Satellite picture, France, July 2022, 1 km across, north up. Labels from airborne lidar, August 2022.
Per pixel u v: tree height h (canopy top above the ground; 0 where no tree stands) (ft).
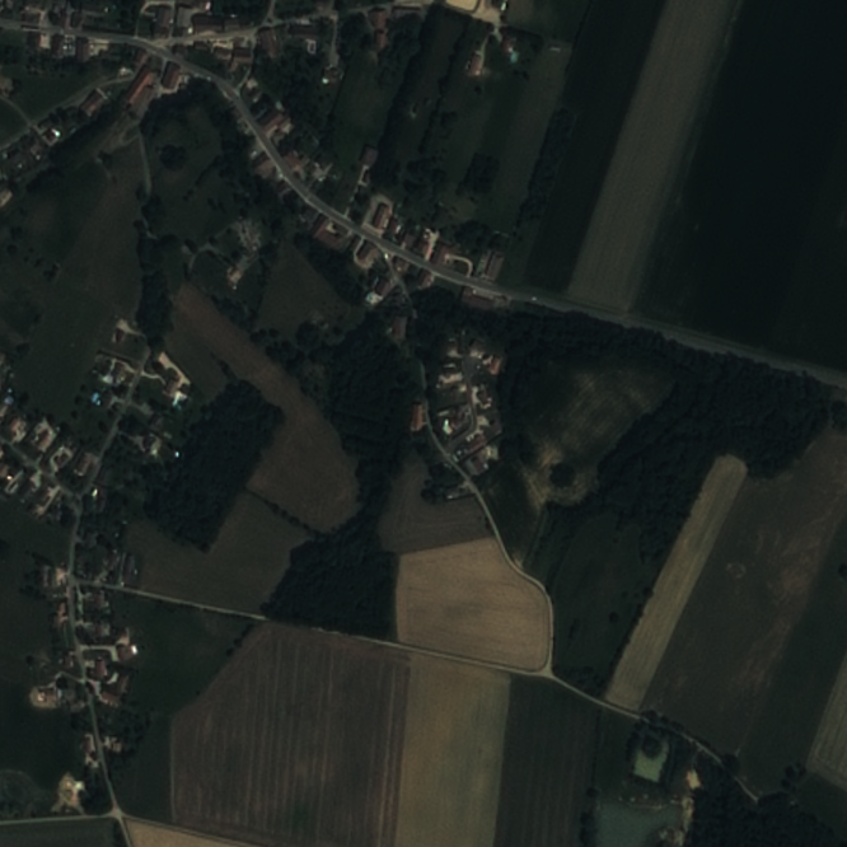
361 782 0
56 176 64
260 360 0
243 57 0
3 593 0
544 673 0
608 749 0
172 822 0
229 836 0
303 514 0
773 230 0
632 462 75
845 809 0
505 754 0
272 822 0
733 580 0
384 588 80
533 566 0
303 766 0
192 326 0
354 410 50
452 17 40
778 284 0
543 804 0
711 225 0
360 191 19
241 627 0
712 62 0
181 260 0
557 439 0
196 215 0
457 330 20
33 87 0
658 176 0
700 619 0
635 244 0
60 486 0
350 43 62
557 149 33
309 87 59
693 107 0
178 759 0
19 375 0
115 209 0
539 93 0
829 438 0
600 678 19
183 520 70
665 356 67
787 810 50
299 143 39
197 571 0
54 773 0
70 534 0
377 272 27
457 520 0
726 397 74
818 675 0
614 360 0
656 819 0
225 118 45
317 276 0
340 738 0
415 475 0
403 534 0
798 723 0
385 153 59
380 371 69
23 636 0
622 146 0
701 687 0
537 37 30
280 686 0
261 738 0
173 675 0
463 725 0
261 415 82
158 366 46
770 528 0
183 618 0
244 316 52
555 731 0
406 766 0
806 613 0
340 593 72
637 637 0
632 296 0
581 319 76
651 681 0
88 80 0
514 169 0
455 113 25
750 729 0
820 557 0
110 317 0
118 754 42
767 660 0
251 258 0
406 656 0
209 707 0
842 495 0
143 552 0
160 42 0
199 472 74
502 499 0
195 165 0
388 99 0
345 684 0
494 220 0
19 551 0
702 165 0
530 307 24
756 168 0
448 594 0
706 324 0
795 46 0
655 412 27
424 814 0
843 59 0
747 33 0
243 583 0
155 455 23
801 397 73
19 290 0
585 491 0
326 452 0
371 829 0
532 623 0
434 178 48
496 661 0
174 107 54
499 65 0
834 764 0
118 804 0
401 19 34
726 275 0
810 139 0
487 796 0
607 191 0
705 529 0
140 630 0
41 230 0
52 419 34
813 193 0
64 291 0
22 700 0
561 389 0
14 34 0
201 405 0
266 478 0
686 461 69
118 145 0
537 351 52
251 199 48
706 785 63
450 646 0
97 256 0
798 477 0
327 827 0
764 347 0
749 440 35
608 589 0
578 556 0
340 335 45
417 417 0
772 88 0
